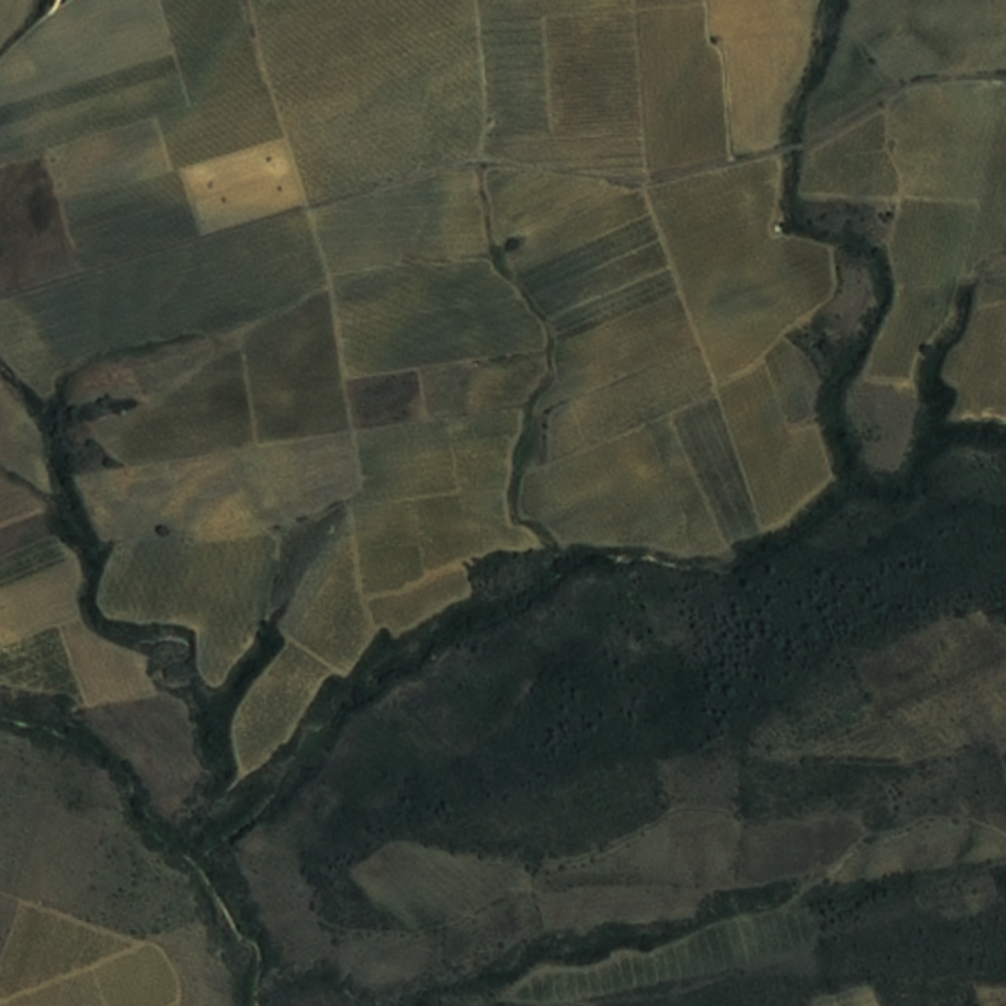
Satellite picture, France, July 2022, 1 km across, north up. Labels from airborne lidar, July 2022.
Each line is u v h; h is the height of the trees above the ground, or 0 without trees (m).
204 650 0
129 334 0
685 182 0
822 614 9
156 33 0
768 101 0
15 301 0
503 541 0
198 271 0
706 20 0
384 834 6
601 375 0
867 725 0
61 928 0
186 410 0
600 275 0
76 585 0
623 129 0
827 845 0
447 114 0
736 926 0
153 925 0
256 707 0
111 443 0
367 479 0
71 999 0
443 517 0
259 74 0
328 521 0
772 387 0
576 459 0
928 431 8
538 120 0
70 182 0
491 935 0
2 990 0
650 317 0
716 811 0
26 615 0
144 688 0
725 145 0
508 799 7
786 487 0
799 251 0
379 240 0
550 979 0
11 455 0
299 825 0
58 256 0
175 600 0
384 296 0
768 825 0
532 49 0
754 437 0
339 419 0
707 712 10
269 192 0
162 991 0
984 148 0
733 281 0
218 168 0
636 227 0
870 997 0
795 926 0
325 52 0
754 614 7
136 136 0
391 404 0
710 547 0
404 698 0
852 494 8
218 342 0
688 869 0
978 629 0
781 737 0
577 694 10
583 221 0
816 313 0
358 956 0
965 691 0
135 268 0
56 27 0
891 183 0
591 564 12
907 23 0
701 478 0
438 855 0
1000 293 0
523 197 0
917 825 0
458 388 0
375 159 0
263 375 0
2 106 0
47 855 0
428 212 0
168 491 0
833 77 0
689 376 0
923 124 0
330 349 0
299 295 0
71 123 0
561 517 0
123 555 0
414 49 0
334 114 0
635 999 0
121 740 0
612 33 0
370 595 0
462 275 0
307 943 0
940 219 0
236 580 0
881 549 6
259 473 0
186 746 0
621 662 10
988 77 0
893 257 0
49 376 0
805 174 0
